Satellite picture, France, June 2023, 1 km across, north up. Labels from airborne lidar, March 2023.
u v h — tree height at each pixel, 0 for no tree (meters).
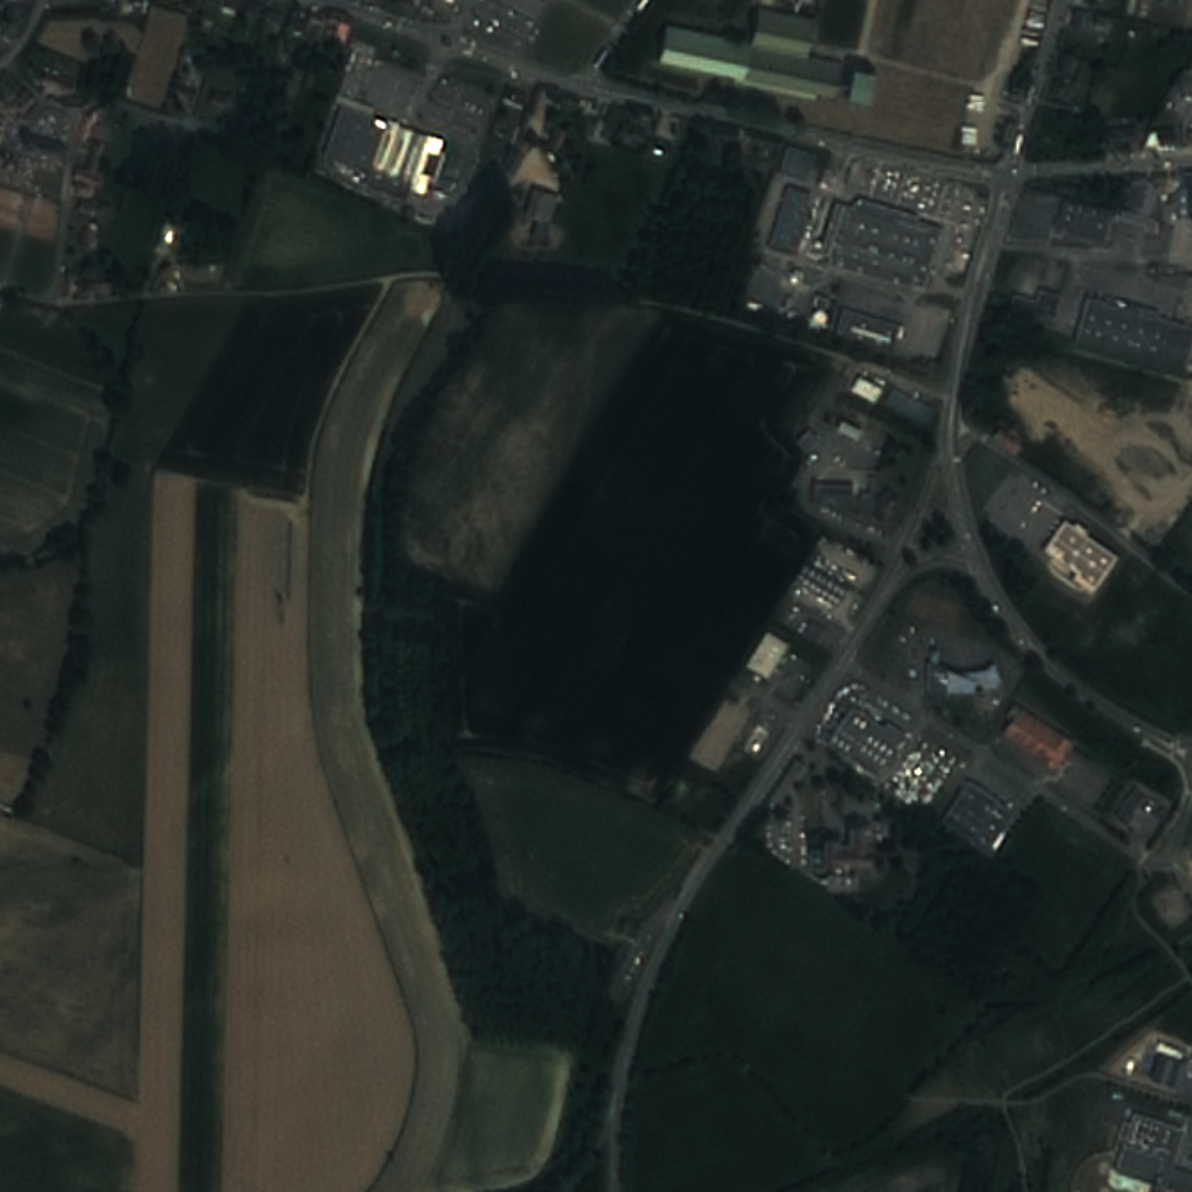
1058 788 0
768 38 0
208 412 0
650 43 0
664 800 7
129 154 0
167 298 0
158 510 0
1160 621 0
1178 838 0
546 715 0
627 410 0
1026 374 0
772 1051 0
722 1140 0
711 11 0
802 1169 0
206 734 0
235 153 18
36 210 0
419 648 29
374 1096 0
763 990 0
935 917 14
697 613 0
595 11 0
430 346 0
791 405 0
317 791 0
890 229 0
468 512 0
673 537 0
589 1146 13
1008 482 0
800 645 0
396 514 22
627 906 0
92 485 8
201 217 23
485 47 0
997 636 9
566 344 0
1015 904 14
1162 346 0
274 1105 0
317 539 0
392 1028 0
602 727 0
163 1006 0
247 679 0
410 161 0
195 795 0
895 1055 0
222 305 0
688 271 15
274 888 0
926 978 0
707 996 0
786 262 0
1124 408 0
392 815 0
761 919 0
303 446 0
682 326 0
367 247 0
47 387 0
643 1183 0
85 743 0
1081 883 0
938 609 0
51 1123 0
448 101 0
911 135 0
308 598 0
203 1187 0
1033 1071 0
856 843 0
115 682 0
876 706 0
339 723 0
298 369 0
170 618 0
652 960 0
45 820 0
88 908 0
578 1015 25
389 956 0
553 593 0
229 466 0
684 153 7
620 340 0
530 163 0
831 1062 0
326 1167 0
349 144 0
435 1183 0
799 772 0
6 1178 0
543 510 0
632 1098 7
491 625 0
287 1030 0
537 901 0
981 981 12
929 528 13
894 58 0
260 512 0
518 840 0
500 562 0
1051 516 0
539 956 28
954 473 0
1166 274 0
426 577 19
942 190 0
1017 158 0
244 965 0
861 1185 0
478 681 0
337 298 0
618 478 0
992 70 0
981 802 0
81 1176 0
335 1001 0
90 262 12
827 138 0
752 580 0
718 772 0
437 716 21
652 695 0
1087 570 0
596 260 0
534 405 0
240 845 0
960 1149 12
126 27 0
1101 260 0
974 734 0
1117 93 0
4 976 0
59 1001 0
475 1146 0
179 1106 0
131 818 0
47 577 0
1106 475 0
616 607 0
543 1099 0
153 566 0
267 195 0
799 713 0
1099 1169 0
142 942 0
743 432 0
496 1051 0
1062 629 0
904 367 0
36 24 0
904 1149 8
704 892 0
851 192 0
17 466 0
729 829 0
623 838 0
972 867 15
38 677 0
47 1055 0
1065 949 0
